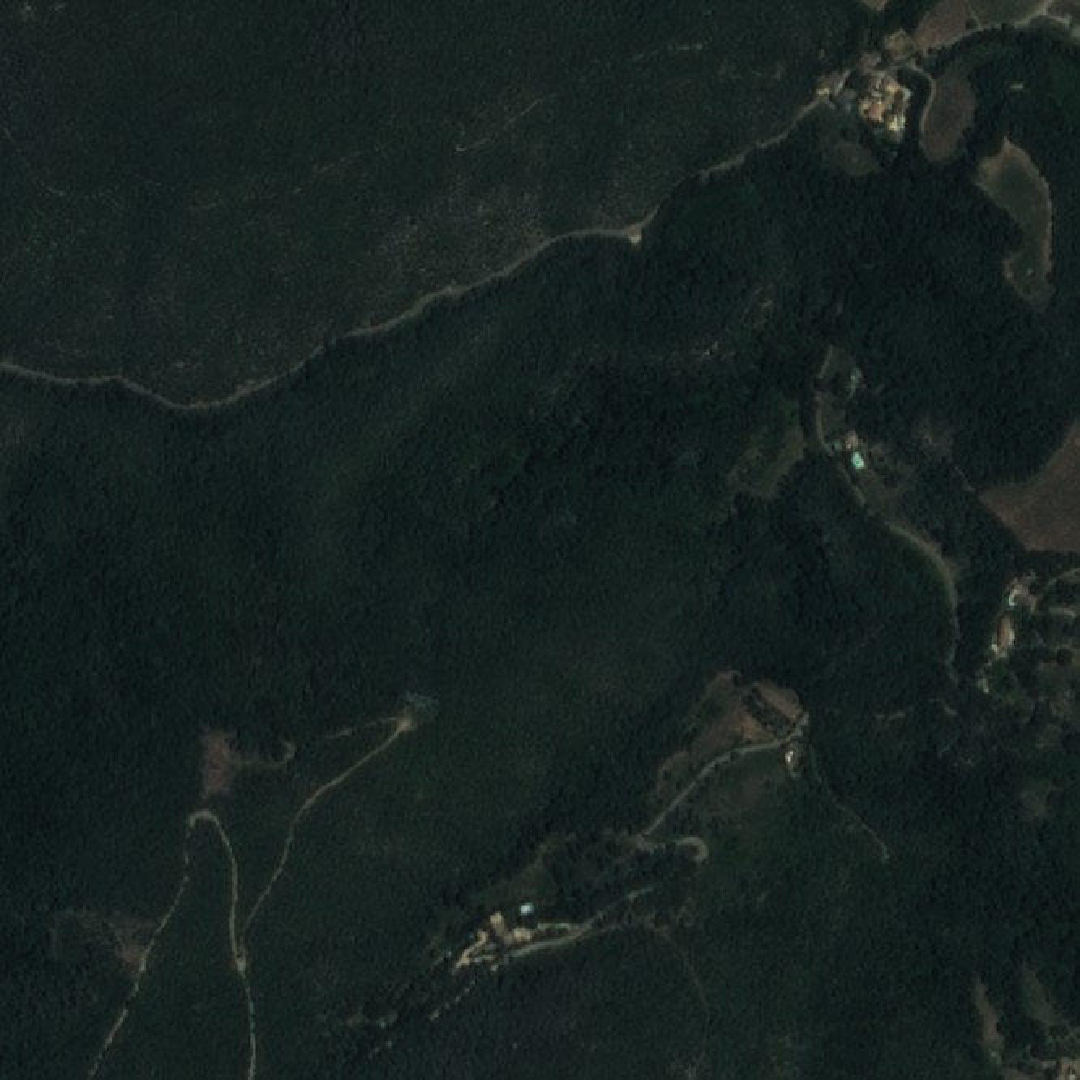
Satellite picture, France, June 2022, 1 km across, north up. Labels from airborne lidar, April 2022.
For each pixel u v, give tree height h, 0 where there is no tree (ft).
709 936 27
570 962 20
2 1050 27
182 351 17
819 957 31
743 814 0
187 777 26
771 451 20
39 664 37
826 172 34
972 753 47
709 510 34
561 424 55
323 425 24
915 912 51
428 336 29
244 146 22
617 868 22
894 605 44
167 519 26
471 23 24
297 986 35
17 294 19
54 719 34
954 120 0
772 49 30
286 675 31
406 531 48
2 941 22
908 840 19
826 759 31
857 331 28
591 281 37
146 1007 20
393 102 17
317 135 17
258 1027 26
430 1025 26
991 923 36
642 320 57
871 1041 26
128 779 52
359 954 28
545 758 24
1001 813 49
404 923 24
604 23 26
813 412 42
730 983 22
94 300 20
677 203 42
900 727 25
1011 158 0
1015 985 27
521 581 33
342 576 33
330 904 18
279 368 22
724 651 26
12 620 39
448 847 20
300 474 20
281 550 43
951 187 39
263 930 18
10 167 22
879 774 55
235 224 23
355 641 49
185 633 41
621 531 27
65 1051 22
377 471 31
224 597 40
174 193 21
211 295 23
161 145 22
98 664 57
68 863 33
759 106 19
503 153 18
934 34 0
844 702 37
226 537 36
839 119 0
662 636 23
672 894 26
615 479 69
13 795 43
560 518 41
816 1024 26
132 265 23
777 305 48
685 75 22
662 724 37
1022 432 56
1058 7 0
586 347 20
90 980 22
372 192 20
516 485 42
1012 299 47
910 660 63
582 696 32
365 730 30
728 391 42
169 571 30
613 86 26
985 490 25
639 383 54
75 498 30
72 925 0
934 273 63
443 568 39
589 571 25
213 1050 28
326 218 20
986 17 0
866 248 43
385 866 27
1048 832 53
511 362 36
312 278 21
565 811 34
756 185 30
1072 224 55
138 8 20
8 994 40
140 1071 28
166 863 28
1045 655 44
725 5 21
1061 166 55
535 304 30
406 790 22
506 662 27
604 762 46
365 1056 30
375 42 30
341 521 27
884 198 55
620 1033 21
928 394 47
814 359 66
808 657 61
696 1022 19
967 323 34
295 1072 30
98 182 19
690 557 26
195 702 32
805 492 44
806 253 48
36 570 38
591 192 20
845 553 33
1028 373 55
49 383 25
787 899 28
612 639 23
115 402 41
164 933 28
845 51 33
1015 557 45
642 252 31
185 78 24
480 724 23
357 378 45
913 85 31
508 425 64
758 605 35
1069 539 0
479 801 24
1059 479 0
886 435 45
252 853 27
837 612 48
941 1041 27
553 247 27
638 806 33
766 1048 23
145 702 42
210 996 22
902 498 0
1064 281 49
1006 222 30
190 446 35
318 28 36
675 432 48
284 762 28
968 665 47
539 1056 20
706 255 38
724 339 39
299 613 26
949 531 41
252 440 25
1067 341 37
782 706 0
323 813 19
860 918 25
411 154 18
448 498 39
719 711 0
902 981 54
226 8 28
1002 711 30
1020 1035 37
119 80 21
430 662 24
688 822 20
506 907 20
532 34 20
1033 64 53
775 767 0
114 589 37
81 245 20
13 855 40
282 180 19
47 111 18
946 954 43
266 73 20
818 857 23
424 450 39
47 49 18
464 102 20
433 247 21
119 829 30
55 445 30
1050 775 48
